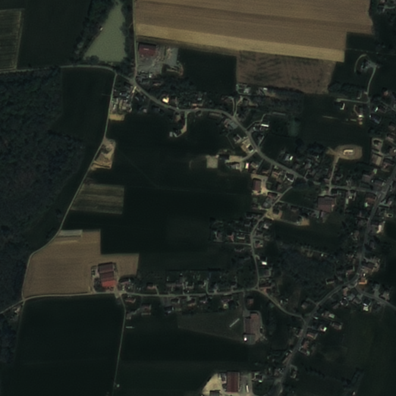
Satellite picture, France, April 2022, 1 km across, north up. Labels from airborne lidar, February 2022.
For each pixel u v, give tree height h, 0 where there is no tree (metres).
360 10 0
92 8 14
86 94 0
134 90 0
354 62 0
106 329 0
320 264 15
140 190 0
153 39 0
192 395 0
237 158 0
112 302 0
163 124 0
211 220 10
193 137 0
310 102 0
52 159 25
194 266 0
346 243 14
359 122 0
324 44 0
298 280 17
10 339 23
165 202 0
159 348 0
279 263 8
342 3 0
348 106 0
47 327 0
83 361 0
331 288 0
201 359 0
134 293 0
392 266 0
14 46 0
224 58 0
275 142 0
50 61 0
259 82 0
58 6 0
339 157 0
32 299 0
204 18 0
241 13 0
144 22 0
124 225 0
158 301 0
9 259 28
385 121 0
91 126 0
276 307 0
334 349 0
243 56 0
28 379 0
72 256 0
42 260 0
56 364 0
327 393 0
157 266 0
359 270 0
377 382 0
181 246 0
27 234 0
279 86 0
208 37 0
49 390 0
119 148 0
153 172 0
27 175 29
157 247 0
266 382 0
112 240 0
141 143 0
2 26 0
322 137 0
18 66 0
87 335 0
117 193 0
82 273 0
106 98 0
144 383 0
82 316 0
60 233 0
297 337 0
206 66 0
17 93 25
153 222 0
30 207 23
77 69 0
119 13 0
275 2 0
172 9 0
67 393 0
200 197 0
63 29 0
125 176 0
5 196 25
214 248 0
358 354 0
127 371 0
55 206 0
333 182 7
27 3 0
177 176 0
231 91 0
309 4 0
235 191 0
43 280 0
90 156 0
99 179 0
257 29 0
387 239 0
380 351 0
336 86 10
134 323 0
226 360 0
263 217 0
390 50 8
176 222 0
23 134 24
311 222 0
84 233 0
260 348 0
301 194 0
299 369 0
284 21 0
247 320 0
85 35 14
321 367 0
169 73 0
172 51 0
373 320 0
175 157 0
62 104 22
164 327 0
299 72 0
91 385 0
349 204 0
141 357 0
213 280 0
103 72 0
